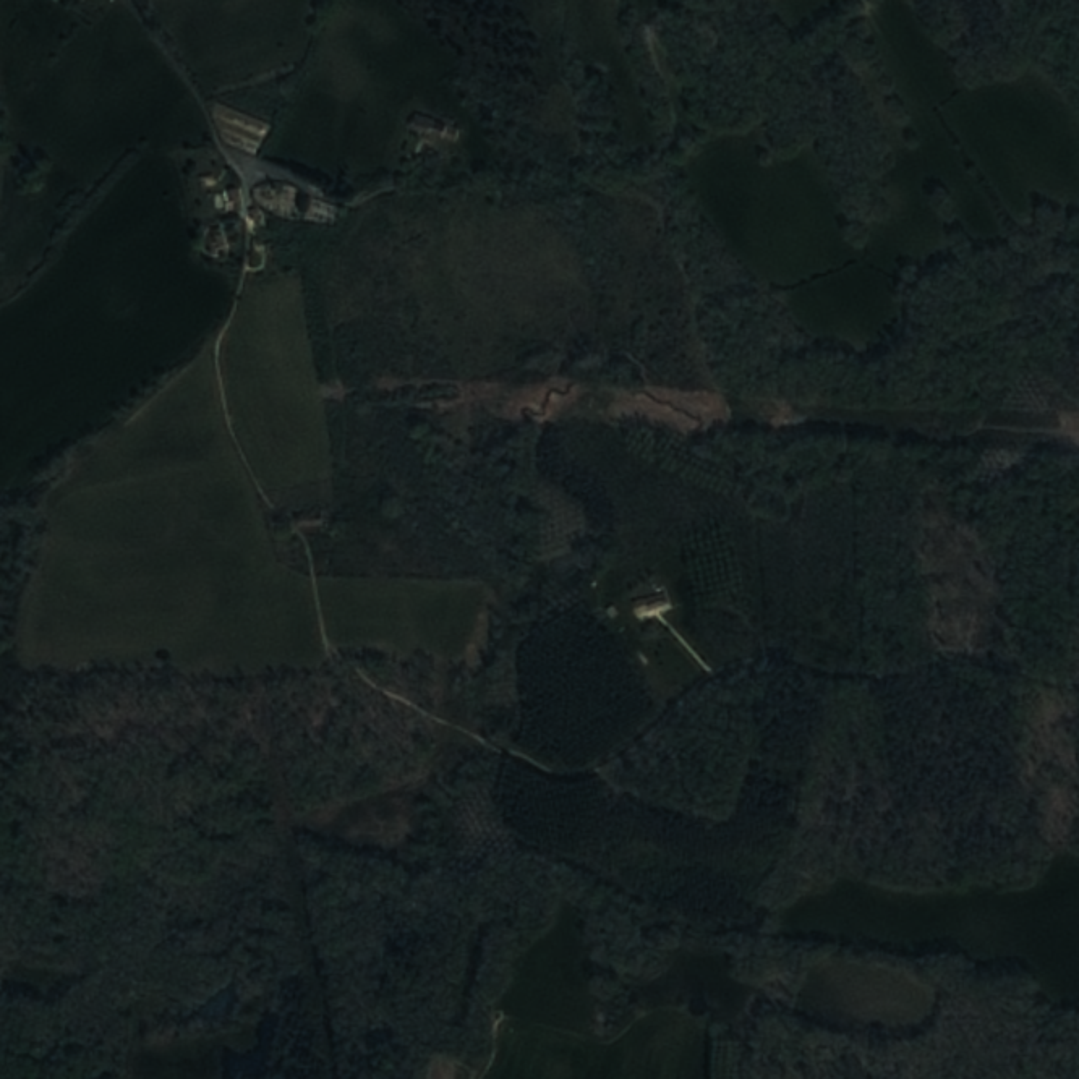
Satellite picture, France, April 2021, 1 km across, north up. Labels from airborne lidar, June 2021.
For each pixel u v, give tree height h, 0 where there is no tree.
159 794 18
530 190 7
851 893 0
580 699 13
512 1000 0
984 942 0
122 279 0
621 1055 0
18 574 14
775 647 8
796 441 24
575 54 10
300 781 22
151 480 0
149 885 24
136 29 0
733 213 0
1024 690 21
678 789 19
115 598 0
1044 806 14
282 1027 29
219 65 0
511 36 13
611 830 9
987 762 23
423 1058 20
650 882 8
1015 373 21
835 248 0
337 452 5
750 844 9
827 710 22
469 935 17
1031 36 24
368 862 18
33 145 0
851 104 22
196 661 0
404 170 8
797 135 20
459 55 11
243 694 16
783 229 0
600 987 25
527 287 0
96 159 0
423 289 0
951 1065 14
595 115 11
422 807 13
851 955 18
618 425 15
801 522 13
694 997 0
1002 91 0
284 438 0
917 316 19
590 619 8
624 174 16
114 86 0
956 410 11
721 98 21
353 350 9
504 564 15
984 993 27
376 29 0
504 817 7
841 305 0
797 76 20
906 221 0
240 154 0
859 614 12
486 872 25
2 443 0
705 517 17
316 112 0
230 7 0
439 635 0
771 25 21
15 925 19
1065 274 7
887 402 17
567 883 19
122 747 12
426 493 7
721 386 16
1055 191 0
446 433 9
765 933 19
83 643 0
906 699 26
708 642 10
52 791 16
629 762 14
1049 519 23
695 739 16
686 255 20
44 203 0
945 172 0
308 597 0
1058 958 0
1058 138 0
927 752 26
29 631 0
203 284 0
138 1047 0
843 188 20
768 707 22
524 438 19
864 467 16
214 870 19
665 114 20
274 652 0
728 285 10
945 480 15
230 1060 0
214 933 15
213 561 0
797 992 14
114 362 0
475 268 0
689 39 18
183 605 0
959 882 24
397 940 10
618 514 12
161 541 0
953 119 0
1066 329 21
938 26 23
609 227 9
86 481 0
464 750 0
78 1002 21
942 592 20
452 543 7
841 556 7
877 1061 18
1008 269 19
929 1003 0
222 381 0
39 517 15
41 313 0
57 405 0
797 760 20
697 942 15
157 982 17
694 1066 0
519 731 14
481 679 6
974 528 28
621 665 13
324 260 6
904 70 0
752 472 25
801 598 14
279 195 0
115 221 0
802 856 8
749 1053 16
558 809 15
